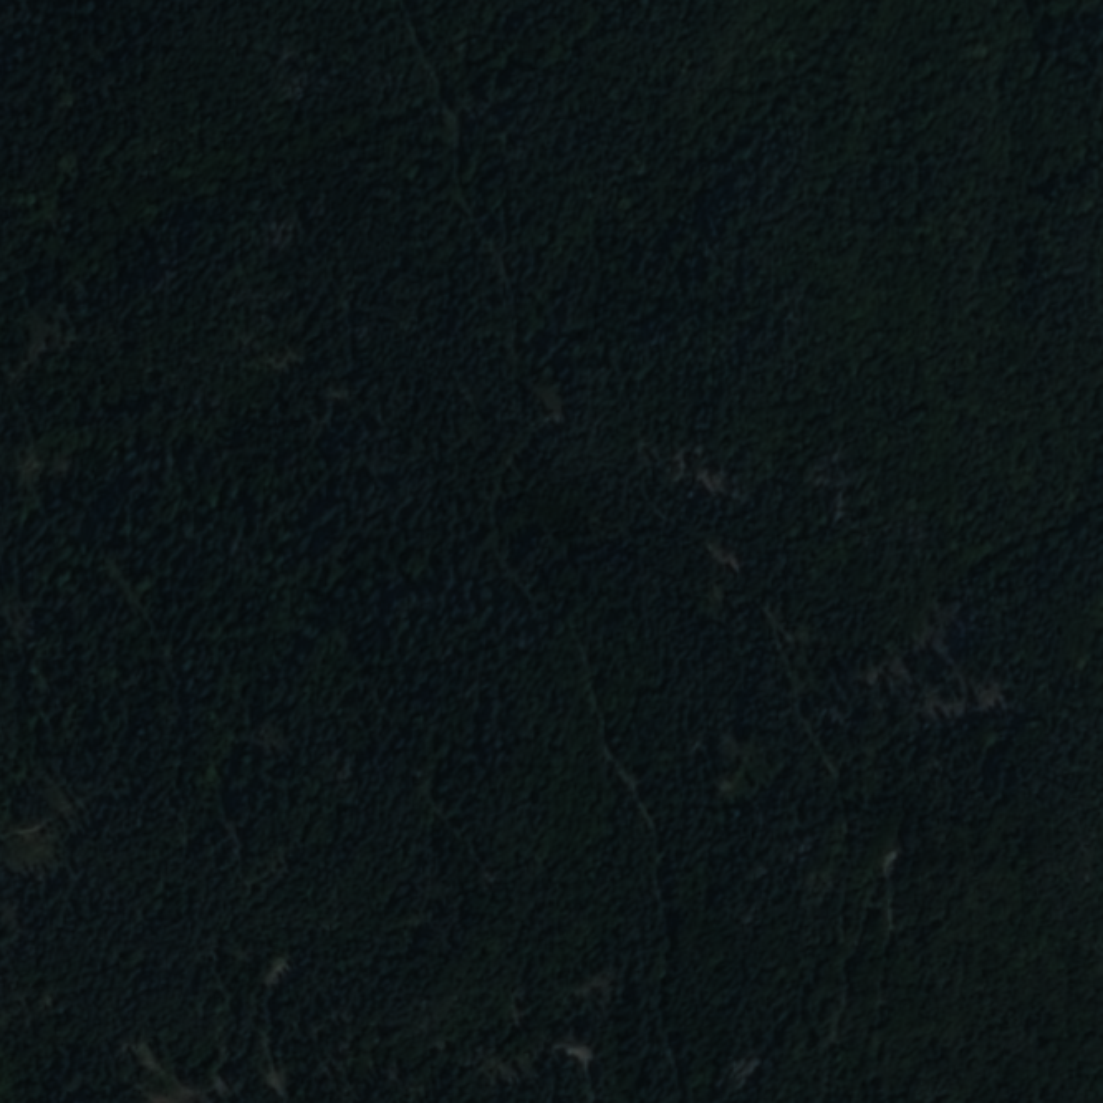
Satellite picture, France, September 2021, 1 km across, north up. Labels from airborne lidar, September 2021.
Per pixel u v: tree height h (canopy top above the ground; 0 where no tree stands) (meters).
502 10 13
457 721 28
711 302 11
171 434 24
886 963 11
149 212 19
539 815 20
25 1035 19
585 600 29
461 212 12
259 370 8
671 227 13
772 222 16
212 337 22
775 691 13
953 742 15
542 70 26
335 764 22
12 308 21
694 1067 30
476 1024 19
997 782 19
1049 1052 29
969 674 18
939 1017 20
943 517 26
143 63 25
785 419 18
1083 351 17
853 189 15
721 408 20
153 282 13
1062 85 22
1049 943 16
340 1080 24
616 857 24
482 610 33
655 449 12
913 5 26
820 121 19
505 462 8
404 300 20
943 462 18
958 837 24
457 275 17
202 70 22
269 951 21
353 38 26
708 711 24
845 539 20
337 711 19
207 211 14
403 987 19
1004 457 20
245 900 9
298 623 21
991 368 15
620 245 26
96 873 17
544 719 24
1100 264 16
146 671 20
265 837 12
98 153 26
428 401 22
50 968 17
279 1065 15
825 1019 17
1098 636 20
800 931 18
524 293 22
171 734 12
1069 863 12
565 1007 20
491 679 20
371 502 31
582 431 19
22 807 24
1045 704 22
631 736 14
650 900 11
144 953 23
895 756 18
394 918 19
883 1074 22
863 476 22
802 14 21
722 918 27
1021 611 13
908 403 19
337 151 18
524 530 6
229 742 11
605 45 21
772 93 29
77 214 20
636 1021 26
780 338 18
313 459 13
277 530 26
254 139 20
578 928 18
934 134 26
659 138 24
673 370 18
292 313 23
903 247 27
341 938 17
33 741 8
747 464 12
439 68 17
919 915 16
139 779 13
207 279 16
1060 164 25
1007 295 31
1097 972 17
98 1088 9
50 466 10
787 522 18
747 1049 20
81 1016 26
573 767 21
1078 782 9
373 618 24
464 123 21
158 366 17
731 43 9
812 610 19
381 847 24
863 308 17
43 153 24
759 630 18
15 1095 14
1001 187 22
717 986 26
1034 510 16
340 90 30
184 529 28
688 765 26
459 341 26
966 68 19
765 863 22
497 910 27
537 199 22
